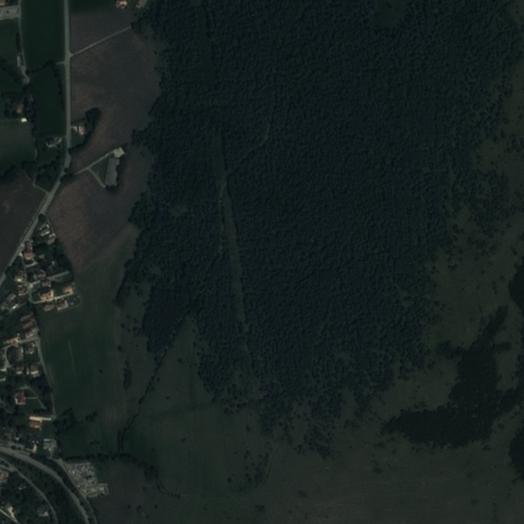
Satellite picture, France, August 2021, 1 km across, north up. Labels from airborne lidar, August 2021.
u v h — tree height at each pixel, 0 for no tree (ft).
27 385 0
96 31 0
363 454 0
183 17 57
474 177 17
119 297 29
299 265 51
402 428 28
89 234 0
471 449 0
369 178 53
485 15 26
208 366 41
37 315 37
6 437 26
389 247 41
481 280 0
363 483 0
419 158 52
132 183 0
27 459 0
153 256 28
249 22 51
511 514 0
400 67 43
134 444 0
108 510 0
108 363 0
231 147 35
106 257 0
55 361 0
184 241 48
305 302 41
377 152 50
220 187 23
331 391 23
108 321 0
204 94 21
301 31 35
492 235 19
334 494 0
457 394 33
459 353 38
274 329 37
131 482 0
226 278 29
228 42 40
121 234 0
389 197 51
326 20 39
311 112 34
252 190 45
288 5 51
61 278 0
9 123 0
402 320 35
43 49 0
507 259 0
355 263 44
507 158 0
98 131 0
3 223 0
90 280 0
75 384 0
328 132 35
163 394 0
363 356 29
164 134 31
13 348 22
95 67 0
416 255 45
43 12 0
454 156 34
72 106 0
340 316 38
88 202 0
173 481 0
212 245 26
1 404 0
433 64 54
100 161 0
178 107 37
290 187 31
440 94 51
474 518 0
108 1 0
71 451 0
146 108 0
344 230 41
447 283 0
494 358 19
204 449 0
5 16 0
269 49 52
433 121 52
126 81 0
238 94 50
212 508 0
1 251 0
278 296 41
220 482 0
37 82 0
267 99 42
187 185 45
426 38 48
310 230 53
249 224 37
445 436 30
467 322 0
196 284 34
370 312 29
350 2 55
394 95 44
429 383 0
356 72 53
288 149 36
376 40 41
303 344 23
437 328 0
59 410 0
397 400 0
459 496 0
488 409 30
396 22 0
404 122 59
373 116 62
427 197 37
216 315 38
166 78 29
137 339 0
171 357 0
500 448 0
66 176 33
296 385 30
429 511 0
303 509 0
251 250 41
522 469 35
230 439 0
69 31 0
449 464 0
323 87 48
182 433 0
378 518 0
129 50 0
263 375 20
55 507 21
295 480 0
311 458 0
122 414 0
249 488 0
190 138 39
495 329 28
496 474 0
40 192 0
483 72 31
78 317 0
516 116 0
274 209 33
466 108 21
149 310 34
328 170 39
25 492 54
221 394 26
